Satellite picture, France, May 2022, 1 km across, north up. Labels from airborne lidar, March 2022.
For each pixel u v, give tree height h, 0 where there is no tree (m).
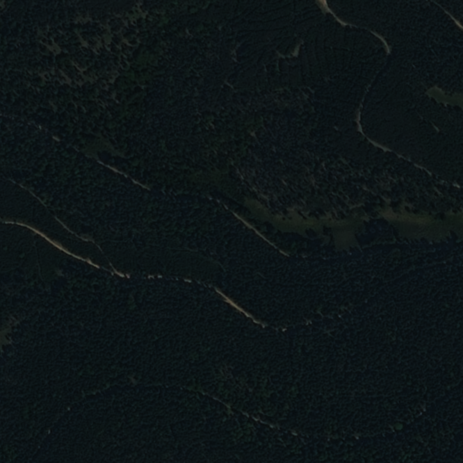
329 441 23
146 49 18
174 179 22
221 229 25
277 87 14
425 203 31
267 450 26
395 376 24
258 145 30
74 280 26
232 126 28
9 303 29
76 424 21
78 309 27
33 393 21
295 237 0
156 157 23
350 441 22
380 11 18
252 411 23
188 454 24
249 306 27
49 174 26
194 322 28
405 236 0
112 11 8
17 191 9
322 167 18
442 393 23
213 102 26
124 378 26
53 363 26
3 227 10
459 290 23
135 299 25
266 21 15
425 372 24
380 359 25
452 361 26
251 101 33
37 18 10
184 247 6
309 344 28
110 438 24
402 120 18
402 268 26
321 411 30
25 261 7
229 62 10
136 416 21
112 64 25
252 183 29
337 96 21
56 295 25
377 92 18
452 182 18
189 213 24
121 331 27
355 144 17
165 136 22
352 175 30
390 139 17
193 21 11
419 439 26
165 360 27
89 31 11
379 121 16
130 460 26
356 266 29
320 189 30
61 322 23
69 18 8
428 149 17
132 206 30
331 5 15
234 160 32
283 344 29
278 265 29
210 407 27
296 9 13
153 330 28
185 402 24
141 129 24
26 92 19
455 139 17
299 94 29
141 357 26
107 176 29
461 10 21
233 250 26
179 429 28
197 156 33
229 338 28
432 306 28
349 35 22
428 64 25
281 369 24
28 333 25
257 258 25
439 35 27
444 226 0
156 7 27
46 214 14
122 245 9
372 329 28
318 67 18
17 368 25
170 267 10
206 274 9
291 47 15
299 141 24
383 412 27
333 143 17
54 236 10
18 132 31
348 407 28
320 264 25
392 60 17
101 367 24
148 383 27
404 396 28
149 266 7
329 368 19
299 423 25
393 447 29
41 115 11
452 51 29
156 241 6
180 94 25
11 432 22
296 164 30
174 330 29
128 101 34
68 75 9
